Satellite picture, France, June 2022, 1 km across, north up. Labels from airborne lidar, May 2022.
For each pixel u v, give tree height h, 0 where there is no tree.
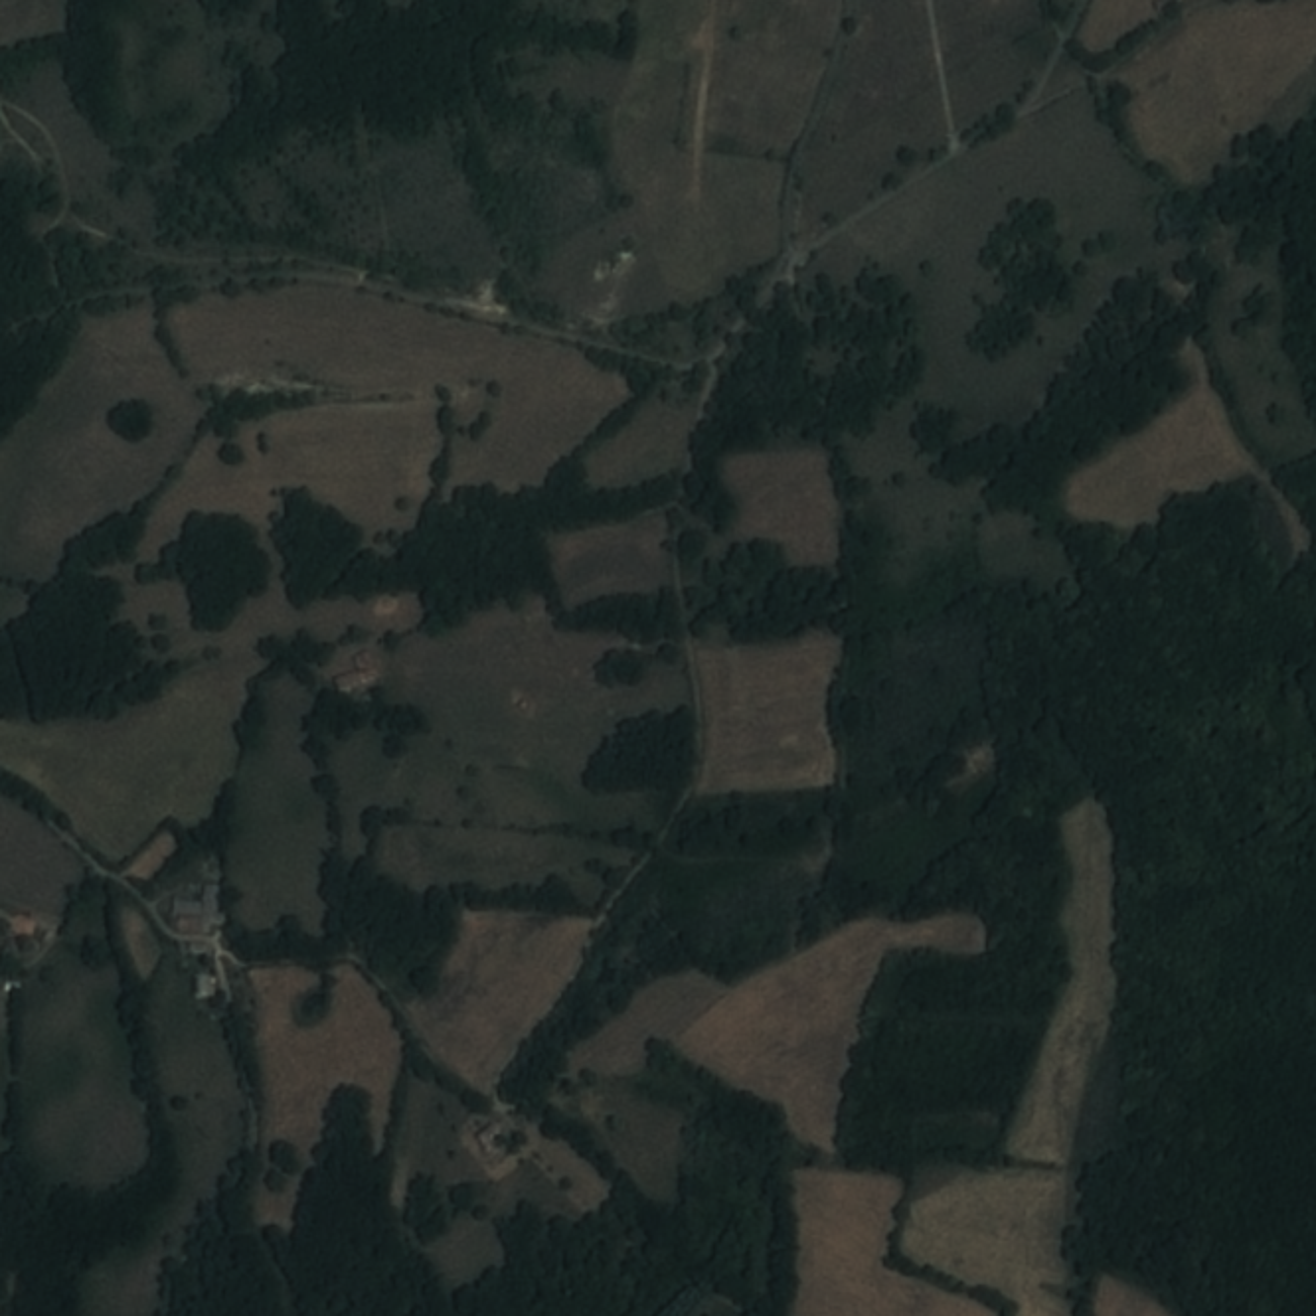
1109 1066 0
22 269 11
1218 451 0
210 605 19
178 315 0
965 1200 0
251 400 8
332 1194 17
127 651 12
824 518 0
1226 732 22
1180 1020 15
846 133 0
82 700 14
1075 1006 0
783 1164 12
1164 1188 7
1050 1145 0
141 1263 0
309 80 12
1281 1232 9
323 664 12
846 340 11
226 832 13
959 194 0
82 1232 11
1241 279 0
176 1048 0
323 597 8
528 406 0
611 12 0
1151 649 20
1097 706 19
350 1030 0
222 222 8
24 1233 18
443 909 15
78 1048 0
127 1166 0
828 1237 0
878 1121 10
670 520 8
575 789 0
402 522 0
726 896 0
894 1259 13
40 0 0
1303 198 21
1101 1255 12
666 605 11
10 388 20
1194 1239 15
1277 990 18
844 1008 0
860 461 0
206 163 11
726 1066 0
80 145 0
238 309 0
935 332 0
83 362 0
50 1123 0
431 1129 0
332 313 0
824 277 11
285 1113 0
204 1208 14
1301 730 0
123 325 0
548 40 11
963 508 0
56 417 0
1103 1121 0
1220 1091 9
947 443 16
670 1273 13
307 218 7
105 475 0
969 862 17
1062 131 0
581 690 0
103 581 12
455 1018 0
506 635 0
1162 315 9
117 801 0
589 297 0
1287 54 0
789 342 11
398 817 13
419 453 0
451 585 15
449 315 8
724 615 9
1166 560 16
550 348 0
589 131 6
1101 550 15
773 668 0
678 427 0
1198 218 12
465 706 0
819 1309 0
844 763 0
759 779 0
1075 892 0
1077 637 16
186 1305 14
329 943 15
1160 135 0
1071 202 0
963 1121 0
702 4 0
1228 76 0
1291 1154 11
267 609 0
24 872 0
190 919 0
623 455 0
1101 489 0
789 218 0
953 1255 0
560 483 11
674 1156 0
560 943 0
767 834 0
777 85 0
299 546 17
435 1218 11
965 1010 8
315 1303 12
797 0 0
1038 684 20
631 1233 11
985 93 0
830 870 11
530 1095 13
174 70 0
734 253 0
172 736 0
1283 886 14
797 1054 0
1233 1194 9
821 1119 0
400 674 0
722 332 10
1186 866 18
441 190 0
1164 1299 7
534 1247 9
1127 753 21
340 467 0
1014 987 11
